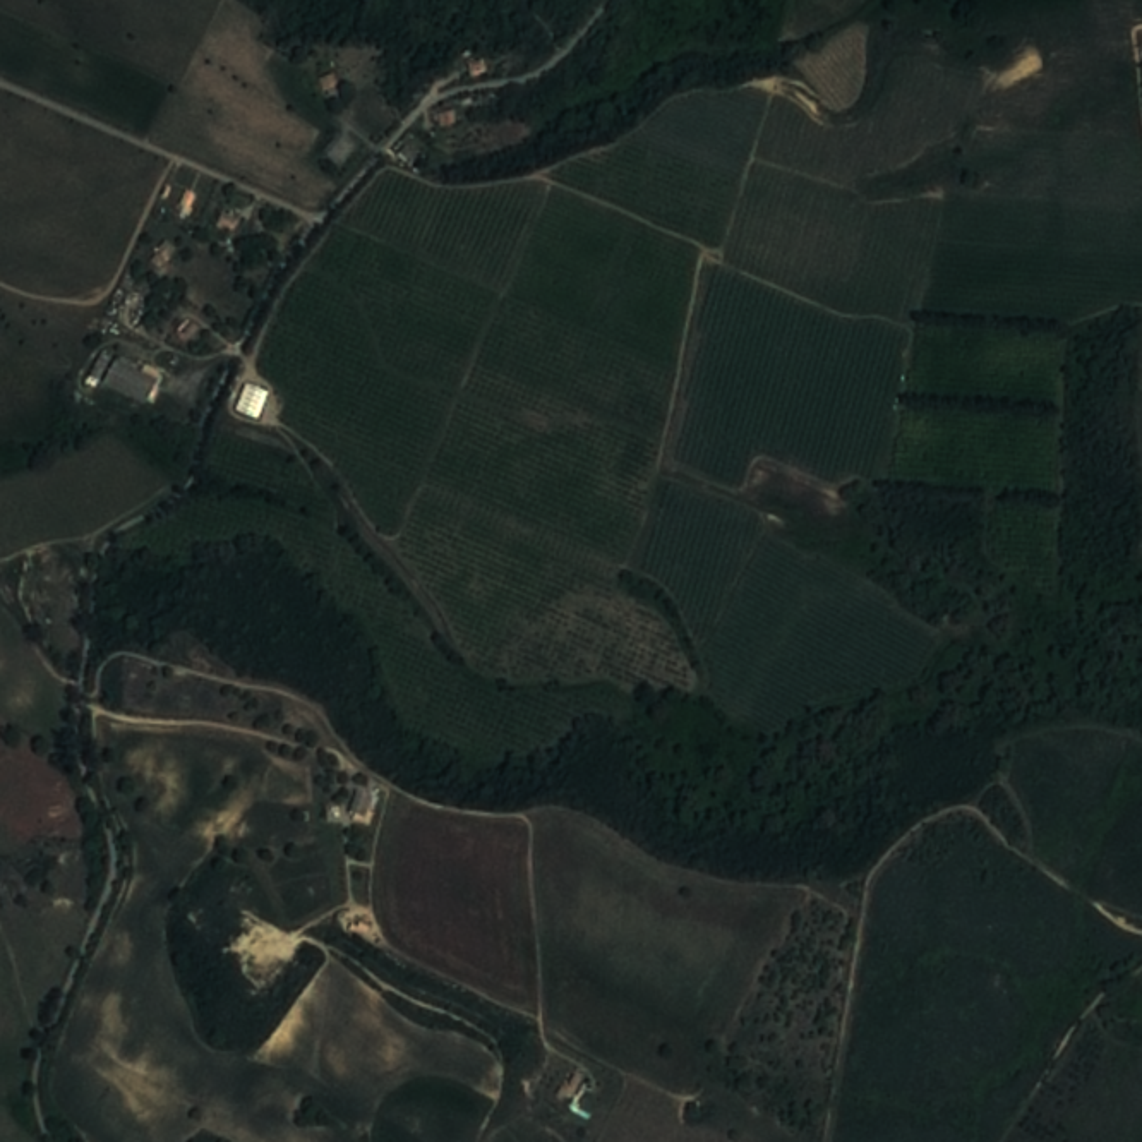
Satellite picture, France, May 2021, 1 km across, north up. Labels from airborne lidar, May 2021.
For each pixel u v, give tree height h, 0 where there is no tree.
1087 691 15
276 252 12
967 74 0
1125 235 0
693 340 0
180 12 0
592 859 0
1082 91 0
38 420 0
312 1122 9
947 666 0
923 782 6
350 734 8
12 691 0
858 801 9
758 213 0
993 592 14
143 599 6
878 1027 0
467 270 0
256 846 0
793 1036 0
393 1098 0
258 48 0
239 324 8
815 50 12
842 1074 0
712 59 6
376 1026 0
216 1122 0
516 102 9
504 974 0
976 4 19
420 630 0
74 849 0
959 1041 0
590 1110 0
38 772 0
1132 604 13
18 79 0
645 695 18
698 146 0
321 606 11
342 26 12
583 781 7
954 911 0
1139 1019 0
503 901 0
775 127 0
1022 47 0
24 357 0
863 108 0
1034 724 7
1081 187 0
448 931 0
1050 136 0
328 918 0
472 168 6
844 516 0
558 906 0
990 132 0
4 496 0
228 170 0
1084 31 0
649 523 0
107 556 6
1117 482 6
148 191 0
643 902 0
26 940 0
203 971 6
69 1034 0
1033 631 10
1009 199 0
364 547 9
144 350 0
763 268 0
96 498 0
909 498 11
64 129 0
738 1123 0
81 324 0
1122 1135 0
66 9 0
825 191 0
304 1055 0
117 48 0
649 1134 0
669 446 0
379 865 0
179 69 0
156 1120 0
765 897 0
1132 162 0
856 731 14
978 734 5
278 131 0
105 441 0
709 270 0
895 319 0
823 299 0
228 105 0
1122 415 11
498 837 0
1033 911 0
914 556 10
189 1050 0
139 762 0
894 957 0
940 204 0
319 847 0
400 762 8
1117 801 0
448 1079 0
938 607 6
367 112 0
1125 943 0
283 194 0
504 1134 0
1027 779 0
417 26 14
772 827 13
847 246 0
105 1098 0
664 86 6
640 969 0
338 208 13
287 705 0
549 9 8
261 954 0
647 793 9
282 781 0
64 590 0
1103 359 10
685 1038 0
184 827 0
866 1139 0
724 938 0
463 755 16
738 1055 7
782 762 17
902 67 0
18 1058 0
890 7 17
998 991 0
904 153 0
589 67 7
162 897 0
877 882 0
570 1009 0
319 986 0
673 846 7
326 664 6
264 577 8
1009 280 0
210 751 0
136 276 7
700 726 0
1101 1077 0
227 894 0
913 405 22
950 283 0
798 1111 9
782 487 0
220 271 0
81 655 16
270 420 0
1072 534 7
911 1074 0
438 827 0
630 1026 0
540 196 0
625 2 12
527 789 8
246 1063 0
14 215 0
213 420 14
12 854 0
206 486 22
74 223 0
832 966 8
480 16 10
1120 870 0
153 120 0
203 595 8
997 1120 0
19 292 0
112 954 0
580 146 9
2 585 0
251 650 5
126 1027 0
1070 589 6
